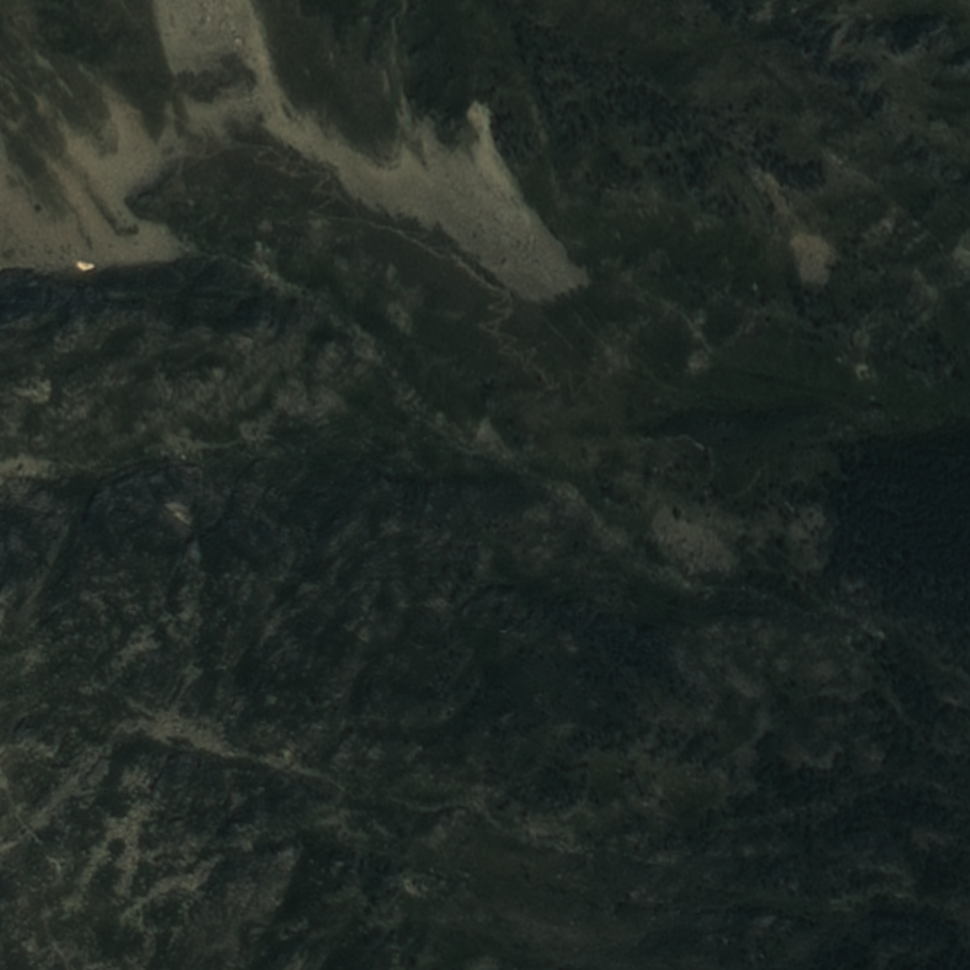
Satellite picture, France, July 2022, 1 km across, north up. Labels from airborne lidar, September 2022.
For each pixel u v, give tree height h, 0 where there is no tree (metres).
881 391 0
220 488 0
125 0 0
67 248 0
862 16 0
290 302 0
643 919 0
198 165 0
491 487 0
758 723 0
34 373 0
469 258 0
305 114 0
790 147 0
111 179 0
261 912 0
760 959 11
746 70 0
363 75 0
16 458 0
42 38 0
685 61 0
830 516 7
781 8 0
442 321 0
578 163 0
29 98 0
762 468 0
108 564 0
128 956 0
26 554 0
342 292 0
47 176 0
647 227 0
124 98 0
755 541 8
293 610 0
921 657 6
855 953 11
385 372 0
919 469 12
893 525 20
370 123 0
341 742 0
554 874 0
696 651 0
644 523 0
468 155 0
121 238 0
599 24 0
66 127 0
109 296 0
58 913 0
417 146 0
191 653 0
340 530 0
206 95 0
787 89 0
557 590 0
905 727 10
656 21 0
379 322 0
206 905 0
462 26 0
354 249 0
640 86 6
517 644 0
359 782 0
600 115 8
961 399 0
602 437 0
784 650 0
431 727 0
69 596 0
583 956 0
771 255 0
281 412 0
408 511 0
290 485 0
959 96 0
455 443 0
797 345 0
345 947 0
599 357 0
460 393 0
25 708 0
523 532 0
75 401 0
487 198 0
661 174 8
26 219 0
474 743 0
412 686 0
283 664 0
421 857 0
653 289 0
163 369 0
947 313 0
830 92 0
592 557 0
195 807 0
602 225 0
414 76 0
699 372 0
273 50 0
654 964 0
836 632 0
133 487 0
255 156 0
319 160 0
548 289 0
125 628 0
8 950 0
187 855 0
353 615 0
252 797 0
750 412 7
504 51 0
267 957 0
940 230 0
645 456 0
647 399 0
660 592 0
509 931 0
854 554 12
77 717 0
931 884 13
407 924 0
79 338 0
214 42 0
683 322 0
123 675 0
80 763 0
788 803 8
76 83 0
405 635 0
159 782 0
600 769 0
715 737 12
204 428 0
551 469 0
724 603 7
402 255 0
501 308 0
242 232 0
